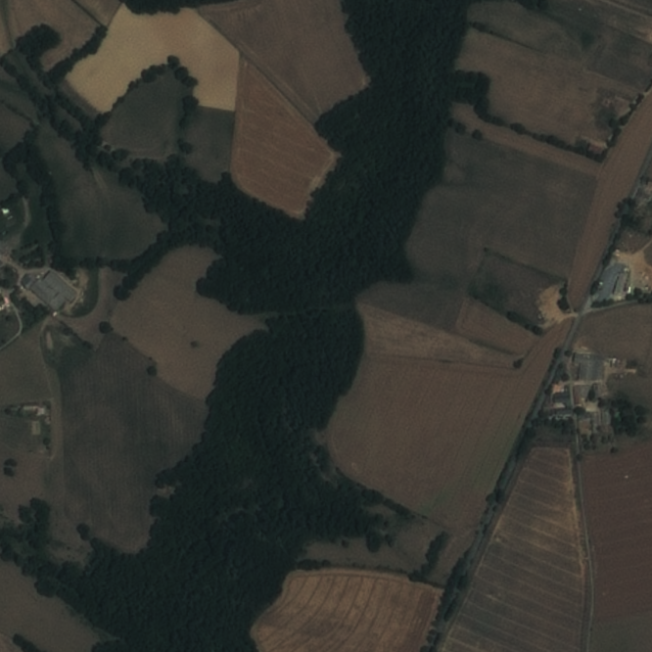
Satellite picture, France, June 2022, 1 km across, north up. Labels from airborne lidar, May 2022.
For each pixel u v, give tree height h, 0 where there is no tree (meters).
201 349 0
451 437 0
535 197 0
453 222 0
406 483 0
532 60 0
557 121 0
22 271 0
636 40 0
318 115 0
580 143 0
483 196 0
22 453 0
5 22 0
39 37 21
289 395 14
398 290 0
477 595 0
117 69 0
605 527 0
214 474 19
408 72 19
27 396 0
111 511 0
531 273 0
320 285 22
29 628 0
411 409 0
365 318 0
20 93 0
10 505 0
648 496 0
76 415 0
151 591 15
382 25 22
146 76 15
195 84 14
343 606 0
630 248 0
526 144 0
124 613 23
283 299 21
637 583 0
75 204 0
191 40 0
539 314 0
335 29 0
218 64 0
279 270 22
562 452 0
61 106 18
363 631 0
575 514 0
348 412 0
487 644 0
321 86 0
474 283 0
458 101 8
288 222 15
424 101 18
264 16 0
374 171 11
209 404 13
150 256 23
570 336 0
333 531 15
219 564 11
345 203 8
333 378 19
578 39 0
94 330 0
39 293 0
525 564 0
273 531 23
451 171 0
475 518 0
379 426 0
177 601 27
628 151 0
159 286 0
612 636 0
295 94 0
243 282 22
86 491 0
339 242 24
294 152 0
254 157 0
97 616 8
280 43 0
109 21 0
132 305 0
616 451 10
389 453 0
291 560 16
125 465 0
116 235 0
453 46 18
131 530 0
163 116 0
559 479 0
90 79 0
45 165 18
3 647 0
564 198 0
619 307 0
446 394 0
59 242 12
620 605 0
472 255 0
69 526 0
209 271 11
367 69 16
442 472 0
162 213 15
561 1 0
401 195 16
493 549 0
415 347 0
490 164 0
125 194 0
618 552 0
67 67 16
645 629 0
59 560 0
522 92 0
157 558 17
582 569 0
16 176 15
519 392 0
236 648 19
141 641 18
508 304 0
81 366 0
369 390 0
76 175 0
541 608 0
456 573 17
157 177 18
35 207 0
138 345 0
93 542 12
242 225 25
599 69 0
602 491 0
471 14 0
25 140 13
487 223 0
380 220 22
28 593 0
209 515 25
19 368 0
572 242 0
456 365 0
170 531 14
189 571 22
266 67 0
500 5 0
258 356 19
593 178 0
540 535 0
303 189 0
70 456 0
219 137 0
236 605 10
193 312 0
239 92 0
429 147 11
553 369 6
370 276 18
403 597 0
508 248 0
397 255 14
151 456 0
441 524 0
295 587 0
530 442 12
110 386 0
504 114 0
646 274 0
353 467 0
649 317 0
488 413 0
